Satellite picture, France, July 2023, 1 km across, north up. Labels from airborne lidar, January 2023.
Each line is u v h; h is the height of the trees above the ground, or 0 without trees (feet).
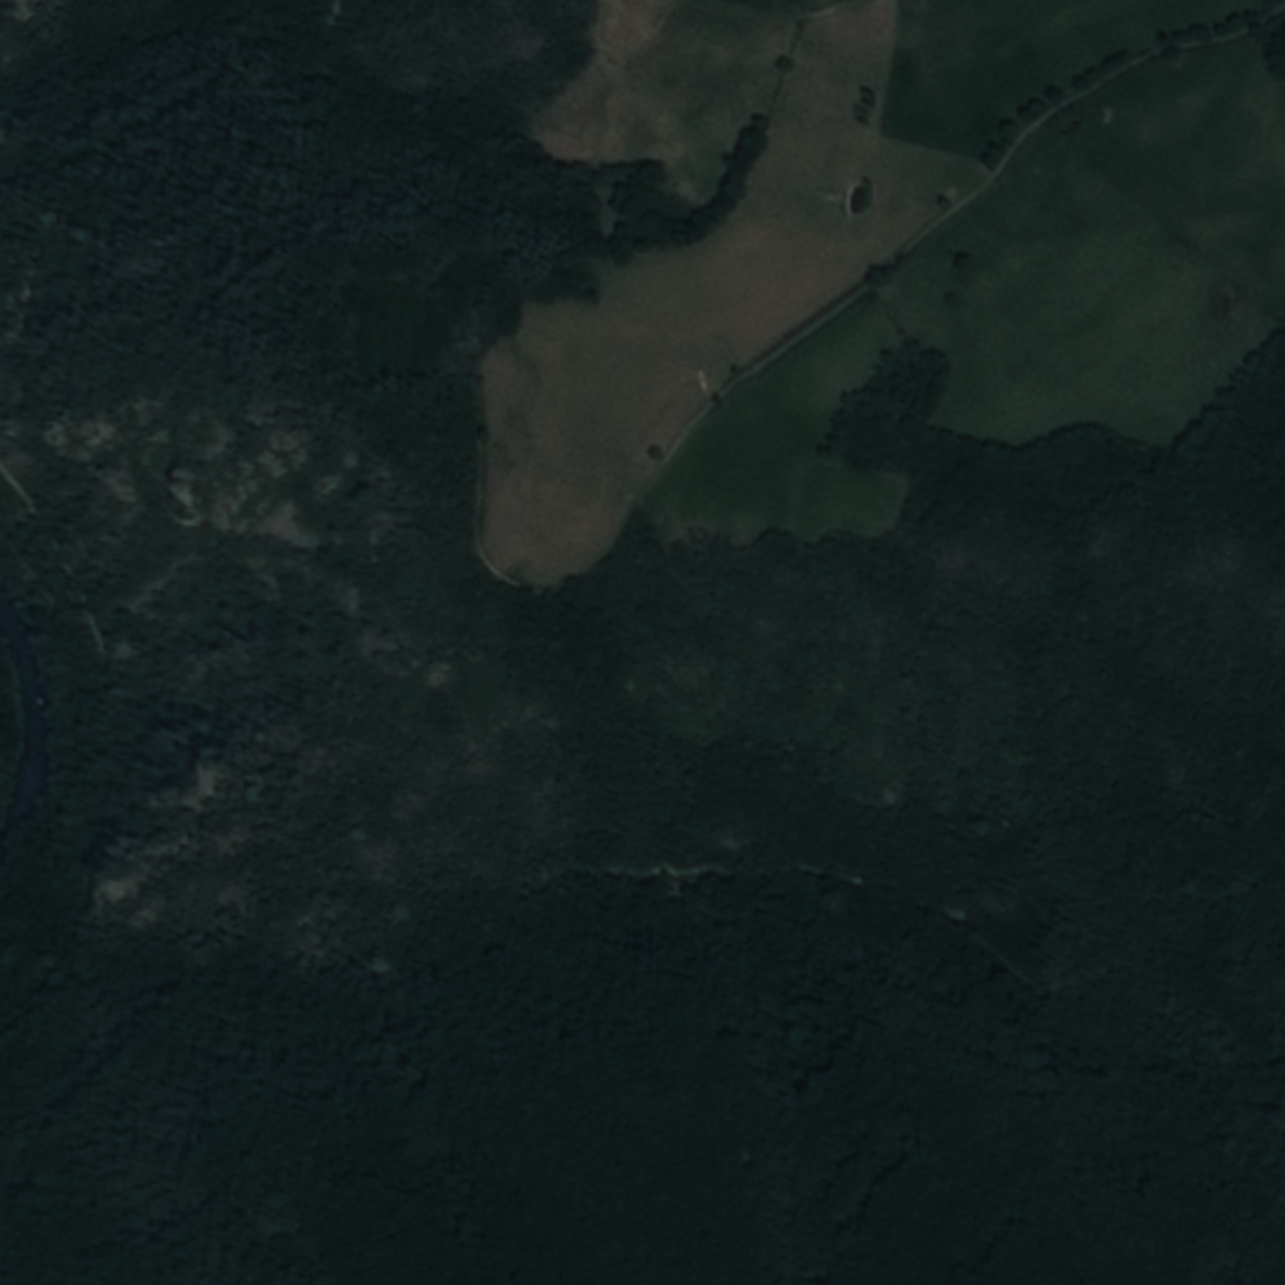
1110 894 70
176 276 34
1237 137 0
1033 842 25
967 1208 48
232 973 80
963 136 0
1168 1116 78
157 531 26
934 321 0
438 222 82
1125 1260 60
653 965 60
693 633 32
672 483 0
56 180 64
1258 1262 78
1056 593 22
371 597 19
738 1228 69
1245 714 38
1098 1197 76
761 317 0
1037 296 0
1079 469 45
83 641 45
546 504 0
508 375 0
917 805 54
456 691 22
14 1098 46
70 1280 76
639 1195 59
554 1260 65
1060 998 34
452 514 23
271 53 60
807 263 0
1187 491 53
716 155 0
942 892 63
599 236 49
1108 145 0
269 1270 37
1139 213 0
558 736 22
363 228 77
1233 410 57
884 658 21
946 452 19
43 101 68
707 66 0
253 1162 86
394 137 70
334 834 34
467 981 61
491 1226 50
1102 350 0
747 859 55
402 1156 51
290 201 61
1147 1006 22
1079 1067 90
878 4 0
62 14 60
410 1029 54
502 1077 61
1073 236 0
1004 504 24
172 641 34
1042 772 37
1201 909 53
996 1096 72
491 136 69
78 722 42
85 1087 48
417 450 52
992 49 0
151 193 59
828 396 0
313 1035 47
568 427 0
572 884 74
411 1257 77
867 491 0
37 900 64
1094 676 33
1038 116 30
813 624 22
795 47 0
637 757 52
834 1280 54
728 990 62
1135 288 0
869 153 0
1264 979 52
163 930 49
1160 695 47
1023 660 37
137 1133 25
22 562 55
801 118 0
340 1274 63
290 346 62
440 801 27
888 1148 25
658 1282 72
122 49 90
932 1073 55
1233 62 0
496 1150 65
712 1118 74
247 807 27
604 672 46
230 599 38
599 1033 59
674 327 0
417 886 43
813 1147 75
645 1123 68
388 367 0
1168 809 36
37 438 37
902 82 0
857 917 74
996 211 0
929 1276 50
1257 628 24
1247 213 0
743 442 0
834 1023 31
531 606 49
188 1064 44
